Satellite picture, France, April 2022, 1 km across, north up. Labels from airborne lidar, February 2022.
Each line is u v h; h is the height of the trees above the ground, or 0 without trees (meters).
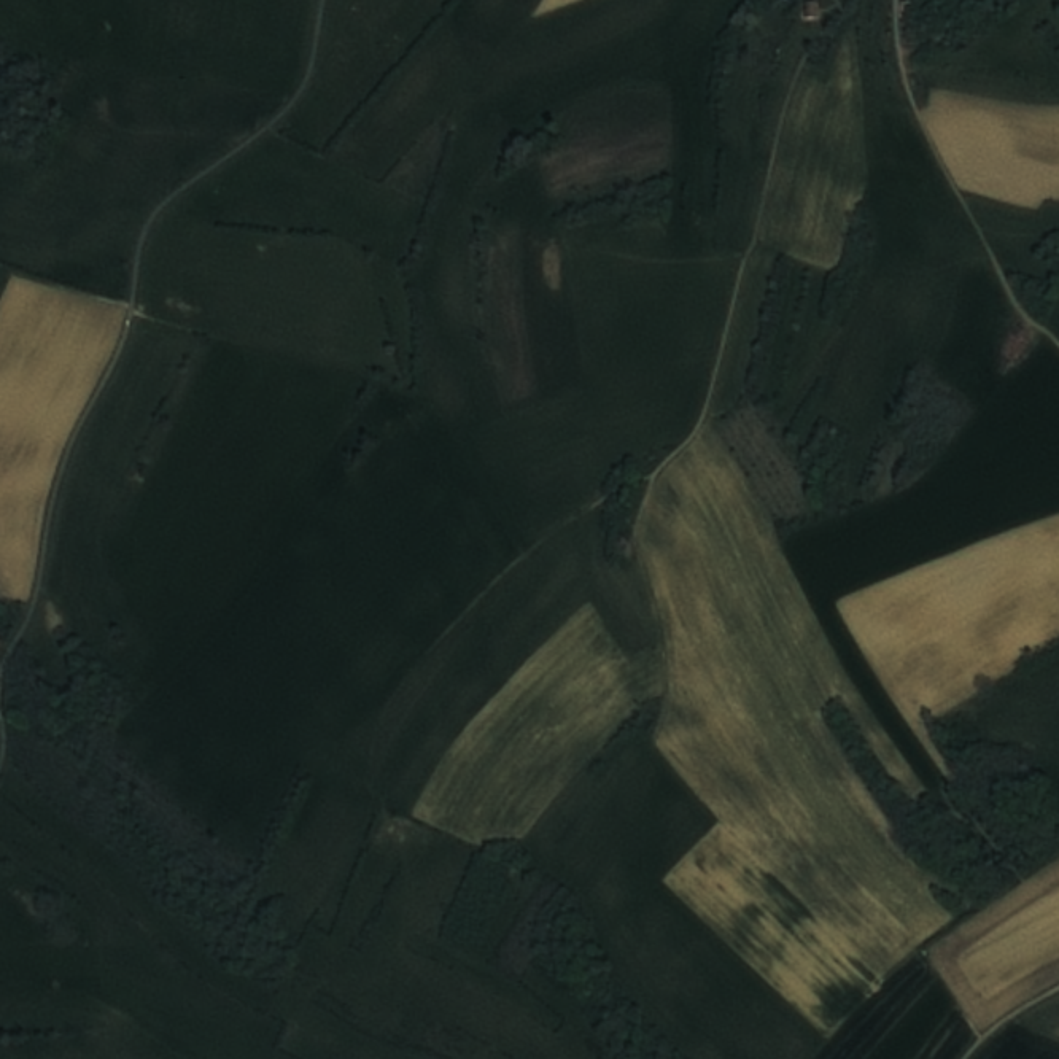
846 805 0
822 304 7
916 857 14
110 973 0
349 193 0
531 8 0
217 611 0
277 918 17
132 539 0
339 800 0
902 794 13
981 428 0
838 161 0
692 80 0
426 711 0
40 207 0
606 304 0
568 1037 0
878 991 0
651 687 0
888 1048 0
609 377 0
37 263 0
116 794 9
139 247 0
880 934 0
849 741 10
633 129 0
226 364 0
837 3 0
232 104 0
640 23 0
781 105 0
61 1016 0
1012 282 12
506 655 0
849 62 0
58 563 0
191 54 0
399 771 0
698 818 0
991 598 0
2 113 25
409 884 0
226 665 0
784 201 0
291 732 0
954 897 10
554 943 8
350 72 0
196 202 0
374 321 0
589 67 0
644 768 0
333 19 0
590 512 0
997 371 0
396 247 0
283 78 0
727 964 0
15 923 0
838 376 0
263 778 0
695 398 0
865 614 0
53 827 0
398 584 0
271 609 0
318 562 0
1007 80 0
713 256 0
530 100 0
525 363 0
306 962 0
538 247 0
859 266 8
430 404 0
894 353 0
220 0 0
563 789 0
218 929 18
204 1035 0
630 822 0
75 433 0
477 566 0
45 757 0
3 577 0
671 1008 0
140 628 0
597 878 0
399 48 0
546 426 0
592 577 0
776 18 0
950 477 0
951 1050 0
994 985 0
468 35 0
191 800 0
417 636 0
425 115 0
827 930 0
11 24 0
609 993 12
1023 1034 0
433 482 0
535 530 0
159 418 8
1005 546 0
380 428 0
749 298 0
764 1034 0
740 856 0
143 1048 0
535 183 0
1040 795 21
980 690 10
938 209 0
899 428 6
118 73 0
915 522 0
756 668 0
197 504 0
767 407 16
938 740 21
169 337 0
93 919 0
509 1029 0
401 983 0
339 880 0
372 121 0
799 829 0
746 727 0
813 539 0
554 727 0
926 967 0
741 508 0
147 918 0
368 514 0
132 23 0
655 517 0
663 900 0
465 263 0
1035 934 0
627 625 0
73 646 10
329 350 0
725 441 0
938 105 0
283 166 0
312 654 0
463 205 0
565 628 0
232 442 0
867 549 0
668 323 0
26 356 0
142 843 8
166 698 0
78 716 15
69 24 0
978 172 0
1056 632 0
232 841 0
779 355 0
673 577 0
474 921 7
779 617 0
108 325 0
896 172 0
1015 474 0
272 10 0
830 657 0
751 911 0
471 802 0
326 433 0
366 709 0
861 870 0
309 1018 0
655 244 0
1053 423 0
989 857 9
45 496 0
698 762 0
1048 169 0
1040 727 0
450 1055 0
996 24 10
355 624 0
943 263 0
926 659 0
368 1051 0
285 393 0
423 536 0
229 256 0
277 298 0
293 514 0
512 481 0
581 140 0
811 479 10
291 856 0
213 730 0
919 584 0
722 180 6
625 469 8
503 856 11
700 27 0
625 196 16
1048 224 0
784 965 0
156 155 0
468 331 0
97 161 0
